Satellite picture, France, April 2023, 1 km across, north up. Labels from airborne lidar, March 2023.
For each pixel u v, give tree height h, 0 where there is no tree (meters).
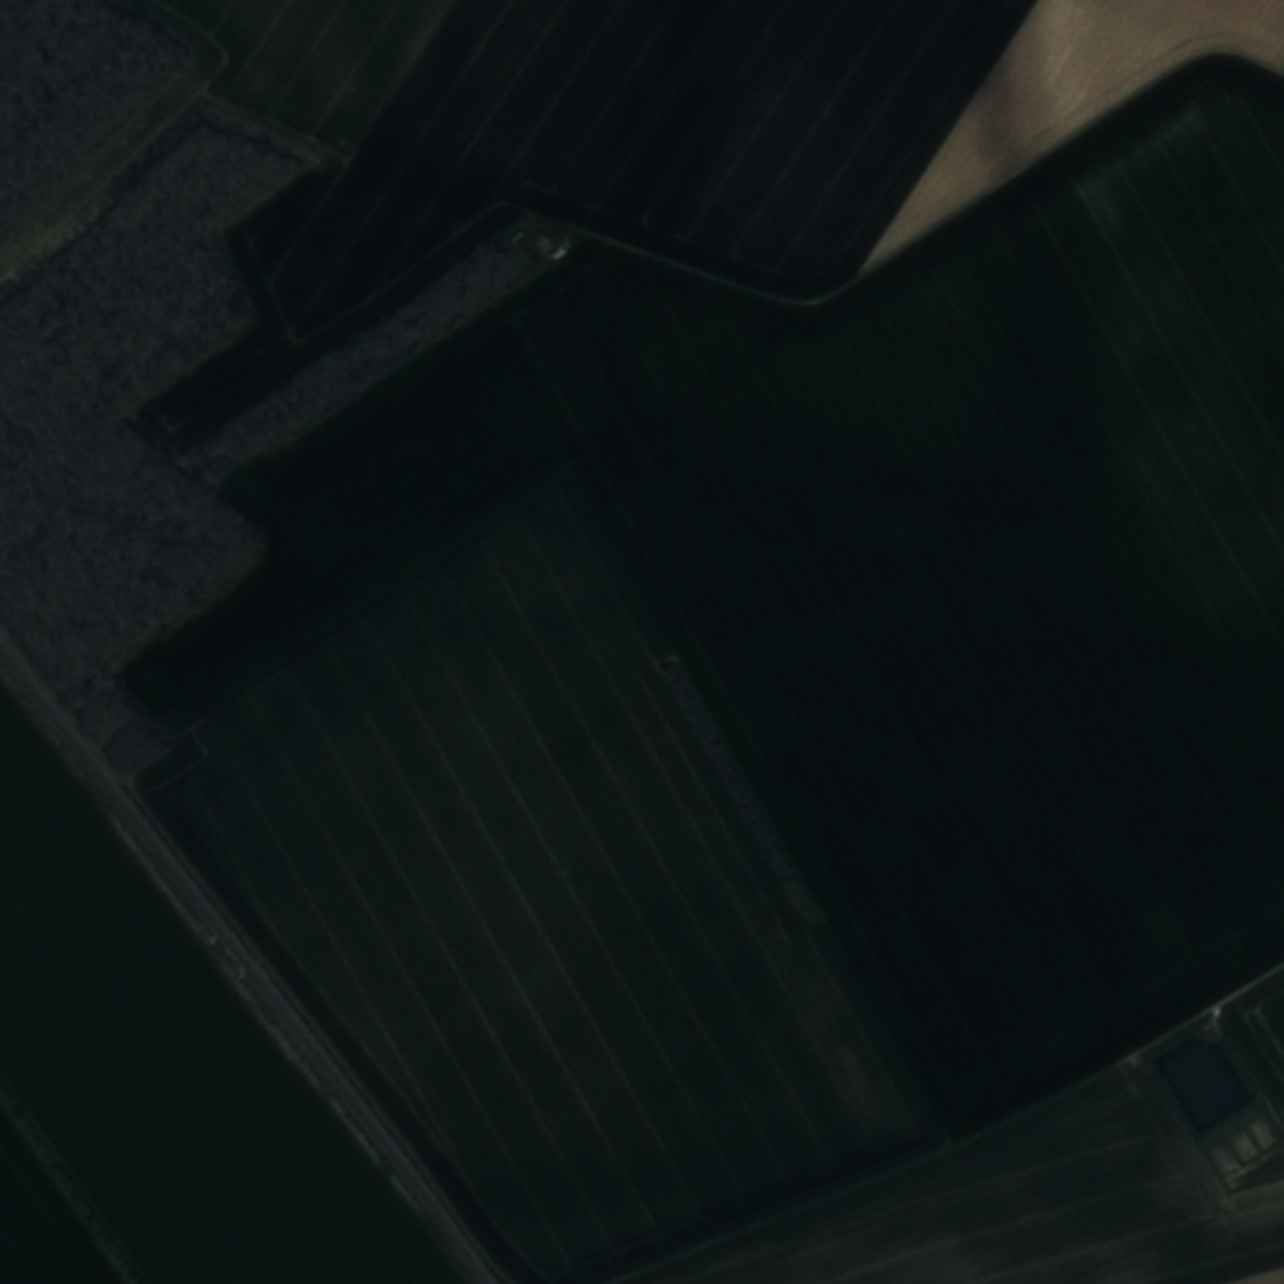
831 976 0
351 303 0
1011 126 0
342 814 0
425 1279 0
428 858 0
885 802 0
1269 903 0
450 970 0
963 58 0
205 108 0
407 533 0
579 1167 0
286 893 0
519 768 0
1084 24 0
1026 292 0
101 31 16
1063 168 0
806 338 0
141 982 0
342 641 0
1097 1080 0
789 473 0
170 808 0
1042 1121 0
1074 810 0
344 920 0
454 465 0
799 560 0
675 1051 0
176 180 17
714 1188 0
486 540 0
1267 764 0
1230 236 0
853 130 0
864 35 0
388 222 0
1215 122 0
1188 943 0
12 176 14
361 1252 0
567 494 0
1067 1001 0
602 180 0
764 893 0
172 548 22
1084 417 0
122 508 20
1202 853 0
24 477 21
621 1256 0
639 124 0
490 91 0
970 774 0
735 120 0
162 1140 0
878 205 0
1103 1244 0
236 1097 0
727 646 0
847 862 0
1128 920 0
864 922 0
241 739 0
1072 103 0
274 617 0
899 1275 0
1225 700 0
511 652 0
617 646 0
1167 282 0
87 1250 0
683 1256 0
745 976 0
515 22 0
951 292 0
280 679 0
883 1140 0
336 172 0
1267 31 0
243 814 0
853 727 0
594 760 0
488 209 0
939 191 0
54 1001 0
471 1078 0
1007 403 0
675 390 0
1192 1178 0
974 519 0
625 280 0
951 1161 0
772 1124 0
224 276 16
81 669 15
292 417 17
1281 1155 0
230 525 19
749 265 0
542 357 0
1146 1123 0
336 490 0
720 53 0
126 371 19
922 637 0
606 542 0
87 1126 0
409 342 11
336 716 0
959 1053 0
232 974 0
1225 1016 0
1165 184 0
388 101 0
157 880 0
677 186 0
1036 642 0
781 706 0
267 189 15
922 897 0
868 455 0
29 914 0
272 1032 0
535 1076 0
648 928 0
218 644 0
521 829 0
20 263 0
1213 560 0
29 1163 0
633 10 0
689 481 0
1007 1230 0
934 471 0
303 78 0
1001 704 0
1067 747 0
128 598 20
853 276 0
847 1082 0
